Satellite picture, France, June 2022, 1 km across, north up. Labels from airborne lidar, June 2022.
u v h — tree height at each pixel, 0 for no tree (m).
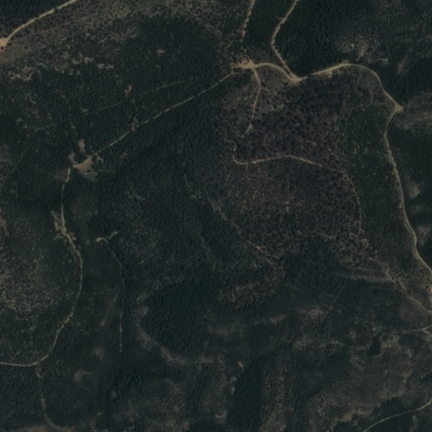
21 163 10
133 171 13
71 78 11
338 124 8
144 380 15
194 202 6
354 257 10
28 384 8
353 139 7
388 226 8
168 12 6
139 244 10
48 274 6
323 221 16
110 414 9
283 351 6
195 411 10
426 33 7
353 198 6
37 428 0
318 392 7
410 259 10
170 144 14
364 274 0
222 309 9
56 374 7
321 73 0
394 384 0
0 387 7
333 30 13
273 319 0
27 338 8
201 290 12
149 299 10
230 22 11
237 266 11
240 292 9
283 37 8
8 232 7
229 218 9
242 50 10
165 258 8
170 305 11
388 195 6
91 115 8
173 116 11
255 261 9
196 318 11
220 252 10
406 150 6
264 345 6
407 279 6
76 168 6
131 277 10
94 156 7
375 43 8
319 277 11
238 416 11
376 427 6
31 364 6
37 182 11
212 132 9
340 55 10
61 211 6
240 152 13
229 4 10
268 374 7
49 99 12
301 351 6
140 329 0
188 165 7
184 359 0
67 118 10
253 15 9
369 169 8
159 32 10
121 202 10
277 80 0
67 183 8
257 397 10
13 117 9
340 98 15
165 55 7
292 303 6
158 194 8
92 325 9
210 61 9
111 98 7
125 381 15
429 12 6
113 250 11
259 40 6
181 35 11
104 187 7
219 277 9
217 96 9
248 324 9
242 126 7
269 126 15
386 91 7
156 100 8
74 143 8
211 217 10
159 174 8
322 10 11
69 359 10
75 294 8
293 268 11
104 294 9
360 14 8
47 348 8
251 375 13
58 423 7
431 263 10
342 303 13
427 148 6
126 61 9
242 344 7
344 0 13
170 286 11
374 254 6
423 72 13
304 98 10
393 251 0
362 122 8
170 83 11
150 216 9
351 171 6
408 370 0
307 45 12
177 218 8
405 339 0
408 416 6
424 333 0
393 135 7
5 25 10
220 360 0
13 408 10
